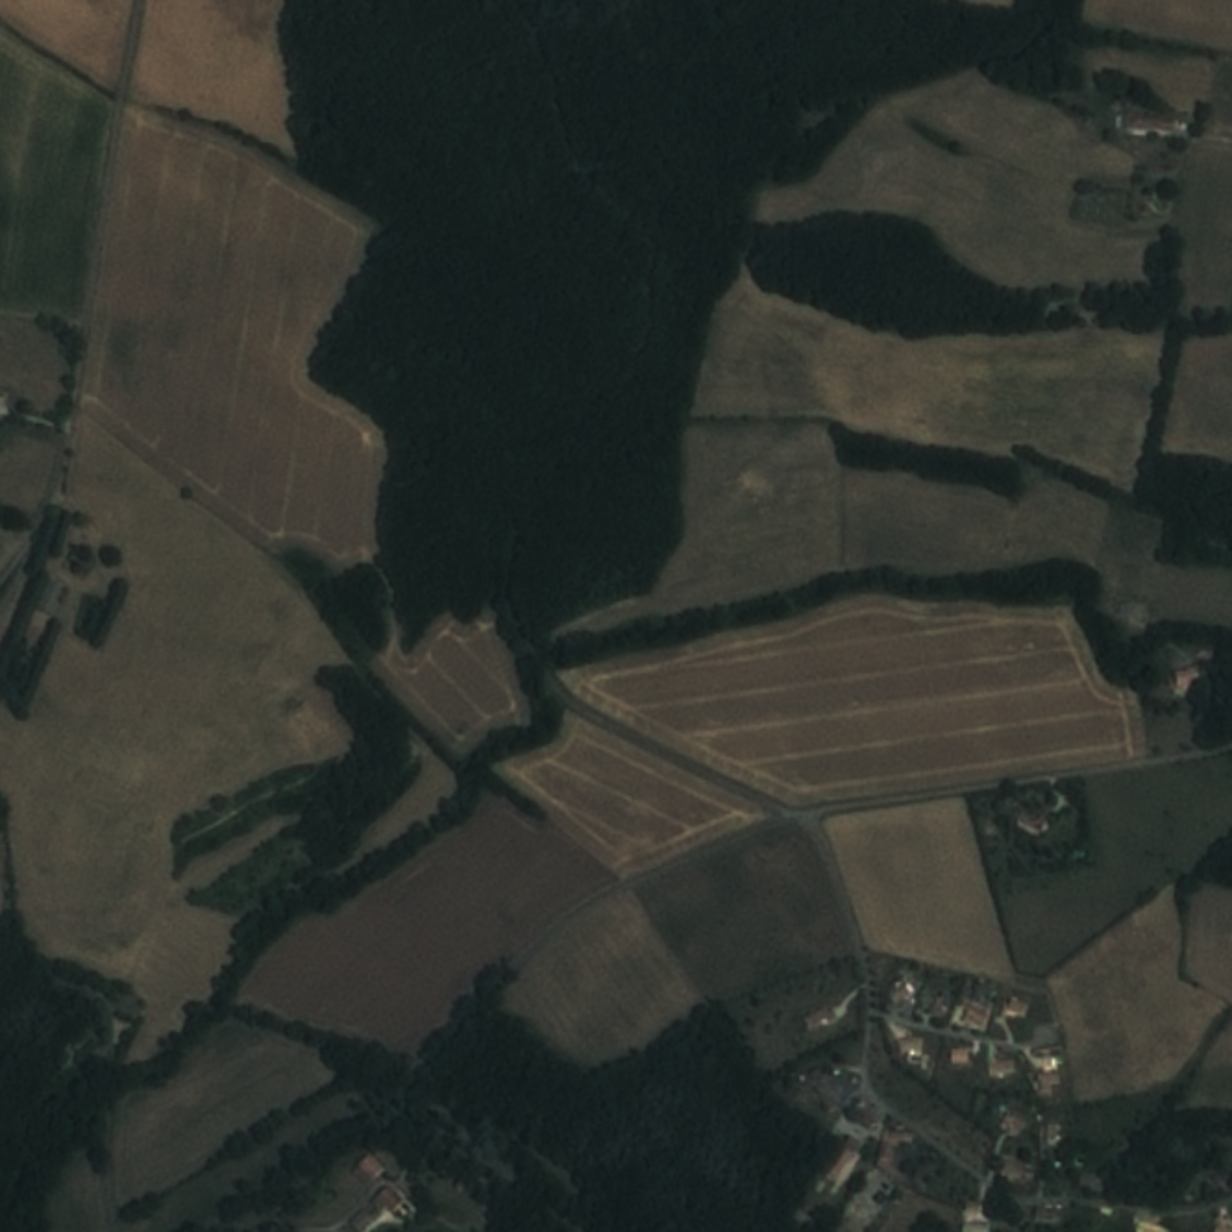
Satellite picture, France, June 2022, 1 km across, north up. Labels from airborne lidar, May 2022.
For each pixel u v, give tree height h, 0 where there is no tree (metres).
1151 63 0
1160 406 13
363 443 0
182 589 0
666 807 0
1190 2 0
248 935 16
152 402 0
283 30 13
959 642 0
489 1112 25
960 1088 0
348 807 19
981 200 0
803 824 0
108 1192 0
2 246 0
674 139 16
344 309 16
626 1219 23
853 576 11
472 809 18
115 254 0
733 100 21
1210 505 16
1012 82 17
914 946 0
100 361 0
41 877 0
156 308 0
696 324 21
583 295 16
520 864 0
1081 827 8
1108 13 0
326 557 0
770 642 0
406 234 18
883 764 0
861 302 15
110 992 11
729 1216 16
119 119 0
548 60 15
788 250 20
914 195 0
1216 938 0
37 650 10
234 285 0
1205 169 0
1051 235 0
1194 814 0
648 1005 0
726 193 16
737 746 0
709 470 0
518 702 0
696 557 0
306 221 0
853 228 20
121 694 0
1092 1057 0
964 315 13
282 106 0
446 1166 19
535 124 17
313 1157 20
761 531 0
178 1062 17
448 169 14
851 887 0
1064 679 0
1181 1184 17
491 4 22
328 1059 15
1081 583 16
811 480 0
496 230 14
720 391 0
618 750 0
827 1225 18
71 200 0
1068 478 14
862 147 0
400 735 16
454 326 21
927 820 0
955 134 0
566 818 0
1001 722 0
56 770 0
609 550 17
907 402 0
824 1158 21
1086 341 0
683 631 19
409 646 6
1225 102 0
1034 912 0
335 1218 0
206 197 0
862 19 16
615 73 15
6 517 19
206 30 0
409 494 10
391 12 16
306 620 0
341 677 19
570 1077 18
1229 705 19
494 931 0
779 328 0
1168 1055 0
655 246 13
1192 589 0
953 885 0
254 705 0
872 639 0
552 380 17
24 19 0
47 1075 18
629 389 22
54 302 0
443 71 14
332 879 19
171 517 0
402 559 12
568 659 30
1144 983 0
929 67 16
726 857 0
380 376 11
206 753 0
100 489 0
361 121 16
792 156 19
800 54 18
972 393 0
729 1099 16
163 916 0
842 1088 0
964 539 0
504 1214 17
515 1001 0
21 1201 21
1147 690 13
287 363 0
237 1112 0
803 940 0
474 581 13
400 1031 0
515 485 23
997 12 15
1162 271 15
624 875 0
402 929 0
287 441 0
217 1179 0
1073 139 0
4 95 0
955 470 16
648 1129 22
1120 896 0
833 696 0
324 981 0
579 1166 22
